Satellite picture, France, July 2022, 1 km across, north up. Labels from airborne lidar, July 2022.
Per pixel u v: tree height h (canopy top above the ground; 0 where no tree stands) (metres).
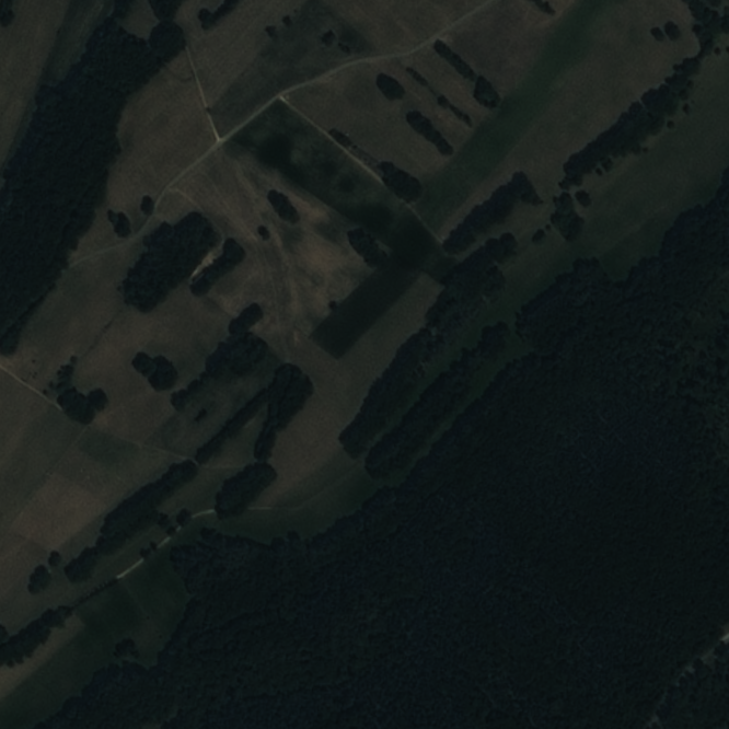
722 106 0
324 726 22
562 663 11
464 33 0
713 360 6
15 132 0
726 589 14
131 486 0
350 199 0
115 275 0
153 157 0
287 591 25
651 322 22
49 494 0
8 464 0
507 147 0
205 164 0
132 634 0
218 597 17
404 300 0
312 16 0
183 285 0
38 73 0
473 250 0
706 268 18
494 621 19
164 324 0
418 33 0
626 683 10
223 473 0
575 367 16
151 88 0
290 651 19
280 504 0
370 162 0
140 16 0
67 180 24
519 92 0
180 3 6
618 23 0
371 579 19
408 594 14
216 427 0
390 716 18
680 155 0
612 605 15
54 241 18
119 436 0
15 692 0
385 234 0
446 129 0
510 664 15
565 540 18
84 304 0
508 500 15
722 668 20
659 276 19
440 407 21
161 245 23
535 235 7
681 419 19
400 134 0
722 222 22
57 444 0
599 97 0
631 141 21
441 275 0
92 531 0
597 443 15
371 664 20
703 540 16
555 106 0
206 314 0
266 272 0
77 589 0
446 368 0
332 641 20
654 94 18
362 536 23
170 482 17
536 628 15
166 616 0
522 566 19
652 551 18
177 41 18
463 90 0
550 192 0
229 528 0
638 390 13
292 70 0
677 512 20
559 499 14
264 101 0
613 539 17
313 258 0
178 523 10
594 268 21
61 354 0
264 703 21
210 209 0
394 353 0
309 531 0
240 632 28
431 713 21
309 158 0
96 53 17
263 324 0
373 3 0
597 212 0
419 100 0
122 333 0
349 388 0
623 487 17
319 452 0
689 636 12
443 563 21
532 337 7
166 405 0
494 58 0
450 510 18
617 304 23
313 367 0
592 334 19
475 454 18
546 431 13
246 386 0
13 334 16
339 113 0
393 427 0
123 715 18
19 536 0
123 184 0
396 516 22
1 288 18
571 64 0
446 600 16
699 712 27
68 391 16
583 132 0
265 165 0
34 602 0
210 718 23
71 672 0
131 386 0
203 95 0
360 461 0
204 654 20
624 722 14
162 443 0
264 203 0
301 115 0
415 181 16
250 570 17
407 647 21
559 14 0
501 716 16
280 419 19
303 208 0
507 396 22
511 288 0
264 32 0
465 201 0
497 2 0
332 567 21
